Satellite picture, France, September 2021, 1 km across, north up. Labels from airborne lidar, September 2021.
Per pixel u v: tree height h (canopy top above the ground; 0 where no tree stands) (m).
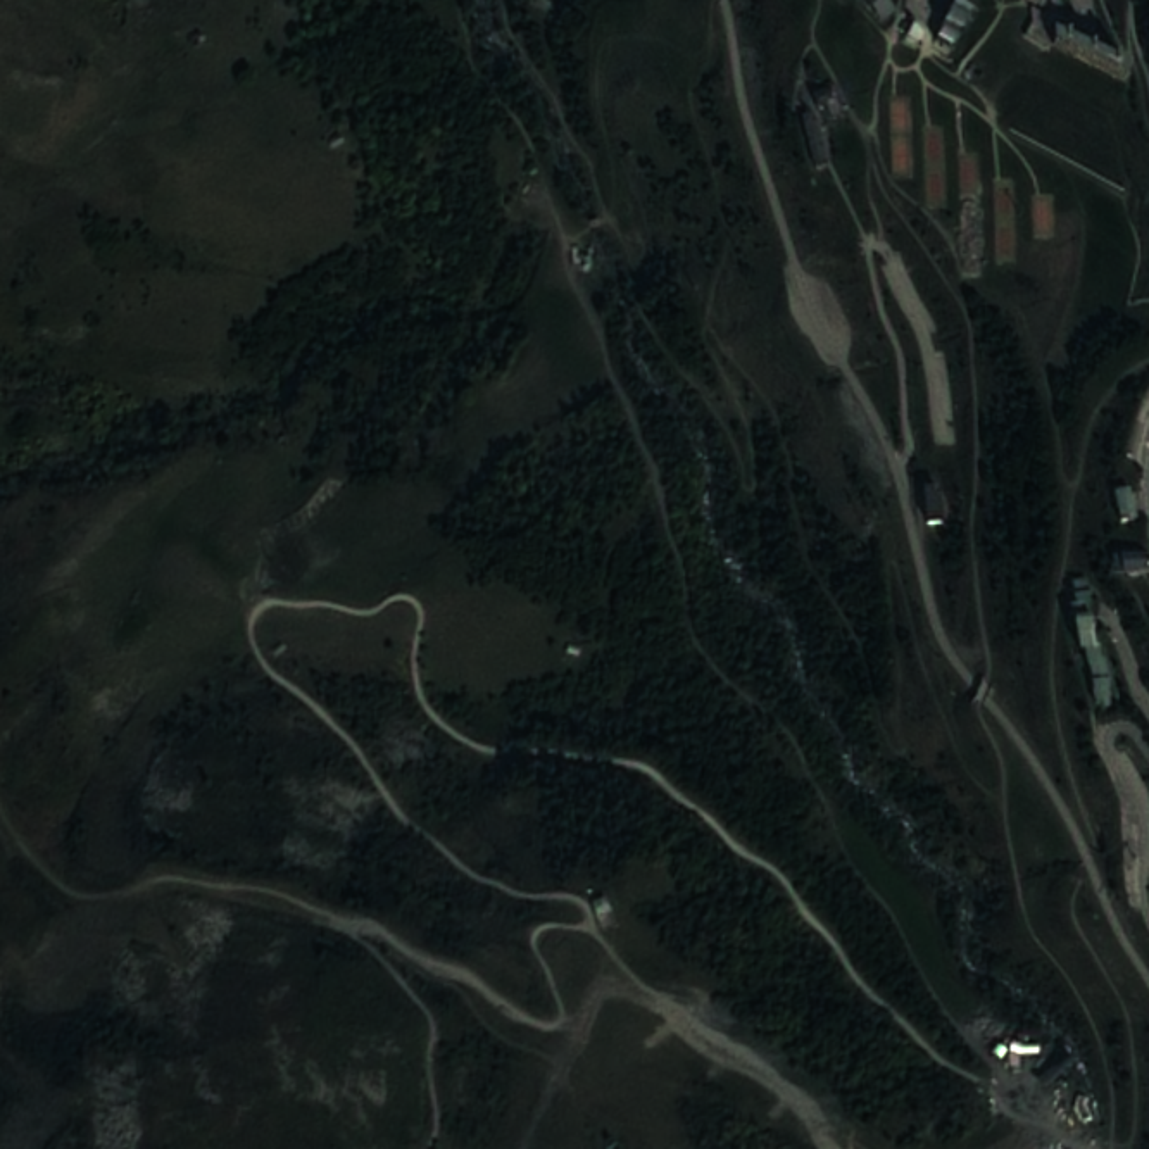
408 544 0
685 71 0
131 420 9
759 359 0
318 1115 0
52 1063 0
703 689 10
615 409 10
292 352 7
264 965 0
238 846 0
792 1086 0
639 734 9
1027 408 8
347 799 0
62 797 0
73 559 0
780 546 10
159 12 0
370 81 12
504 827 0
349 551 0
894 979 15
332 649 0
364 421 8
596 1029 0
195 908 0
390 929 0
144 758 0
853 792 5
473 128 11
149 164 0
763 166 0
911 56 0
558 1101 0
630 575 7
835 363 0
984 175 0
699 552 14
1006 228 0
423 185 14
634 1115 0
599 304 10
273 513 0
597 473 8
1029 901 0
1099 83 0
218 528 0
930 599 0
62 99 0
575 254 0
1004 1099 0
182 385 0
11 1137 0
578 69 11
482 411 0
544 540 10
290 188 0
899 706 0
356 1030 0
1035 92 0
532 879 0
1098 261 0
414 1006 0
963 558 7
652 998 0
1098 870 0
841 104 0
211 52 0
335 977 0
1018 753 0
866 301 0
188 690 0
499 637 0
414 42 13
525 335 10
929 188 0
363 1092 0
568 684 6
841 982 11
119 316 0
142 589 0
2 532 0
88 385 8
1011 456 16
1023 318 0
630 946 0
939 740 0
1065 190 0
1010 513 12
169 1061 0
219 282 0
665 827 10
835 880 7
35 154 0
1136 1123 0
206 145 0
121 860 0
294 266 0
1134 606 7
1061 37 0
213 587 0
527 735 7
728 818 10
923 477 0
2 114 0
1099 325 8
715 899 10
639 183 0
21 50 0
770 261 0
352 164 10
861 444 0
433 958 0
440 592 0
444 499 0
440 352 8
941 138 0
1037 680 0
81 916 0
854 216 0
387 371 7
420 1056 0
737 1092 0
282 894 0
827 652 6
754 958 14
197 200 0
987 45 0
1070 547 0
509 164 0
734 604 11
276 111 0
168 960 0
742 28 0
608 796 9
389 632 0
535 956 0
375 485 8
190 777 0
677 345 10
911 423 0
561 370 0
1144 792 0
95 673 0
